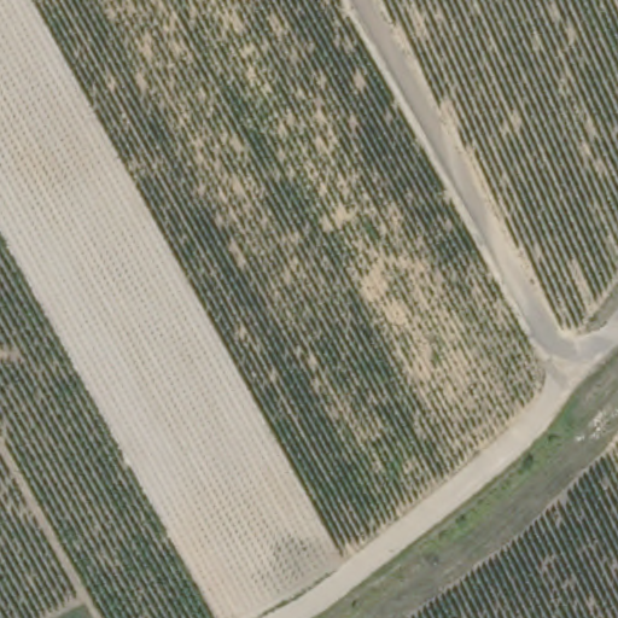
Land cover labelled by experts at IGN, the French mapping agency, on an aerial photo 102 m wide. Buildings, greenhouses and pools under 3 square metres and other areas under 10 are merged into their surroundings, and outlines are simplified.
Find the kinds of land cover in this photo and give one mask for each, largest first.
<instances>
[{"label":"vineyard","instance_id":"1","mask_svg":"<svg viewBox=\"0 0 618 618\"><path fill-rule=\"evenodd\" d=\"M546 386L543 360L534 352L529 336L519 326V319L507 297L502 295L497 280L490 275L483 253L468 234L454 203L444 198L442 179L430 164L427 152L418 145L415 133L406 121L403 111L393 104V94L386 80L381 77L374 58L369 56L362 36L357 34L355 24L343 14L340 0H0V618H39L43 611L56 608L63 601L70 608H77L84 606L89 599L94 601L101 618H251L263 608L273 606L275 601L311 584L314 577H321V572L333 575L340 570L345 558L357 553L369 538L379 534L381 524L398 521L401 517H406L418 505V500L427 497L444 483V476H454L456 468L476 461L483 449H488L509 430V418L526 403H531L534 396L541 393ZM391 22L403 29L406 41L410 43L413 56L422 68V75L430 84L435 101H451L459 121V138L476 152V162L485 176L495 205L505 203V227L514 246L524 249L526 261L538 278V285L548 299L555 321L560 326L575 328L577 333H589L606 326L613 311L618 309V0H384ZM415 618H618V471L611 459L599 461L587 476H582V480L567 495L565 505L550 507L543 519H538L517 543H512V548H507L495 560L471 572L459 587L449 589L439 601L425 606Z\"/></svg>","mask_w":618,"mask_h":618},{"label":"pervious surface","instance_id":"2","mask_svg":"<svg viewBox=\"0 0 618 618\"><path fill-rule=\"evenodd\" d=\"M343 14L355 24L357 34L362 36L369 56L374 58L381 77L386 80L393 94V104L403 111L406 121L415 133L418 145L427 152L430 164L442 179L444 198L454 203L468 234L483 253L490 275L497 280L502 295L507 297L519 319V326L529 336L534 352L543 360L546 386L541 393L534 396L531 403H526L509 418V430L488 449H483L476 461L456 468L454 476H444V483L427 497L418 500V505L406 517H401L398 521L381 524L379 534L369 538L357 553L345 558L340 570L333 575L314 591H309L304 599L285 606L282 611L268 618H311L331 604H336L340 596H345L367 575L381 567L386 560H391L396 553H401L408 543L422 536L449 512H454L473 492H478L490 478L505 471L512 461H517L531 447L534 439H538L548 430L553 418L570 398V393L577 389V384L618 348V309L613 311L606 326L589 333H577L575 328L560 326L555 321L548 299L538 285V278L526 261L524 249L514 246L505 227V203L495 205L485 176L476 162V152L459 138V121L451 101H435L430 84L422 75V68L413 56L410 43L406 41L403 29L391 22L384 0H340Z\"/></svg>","mask_w":618,"mask_h":618},{"label":"herbaceous vegetation","instance_id":"3","mask_svg":"<svg viewBox=\"0 0 618 618\"><path fill-rule=\"evenodd\" d=\"M611 459L618 471V348L577 384V389L570 393V398L553 418L548 430L538 439H534L531 447L517 461H512L505 471L490 478L478 492H473L454 512H449L422 536L408 543L401 553H396L391 560H386L381 567L367 575L345 596H340L336 604H331L311 618H415L425 606L439 601L449 589L459 587L471 572L495 560L507 548H512V543H517L538 519H543L550 507L565 505L567 495L582 480V476H587L599 461ZM333 575L321 572V577H314L311 584L275 601L273 606L263 608L251 618H268L282 611L285 606L304 599L309 591H314ZM39 618H101L94 601L89 599L84 606L77 608H70L63 601L56 608L43 611Z\"/></svg>","mask_w":618,"mask_h":618}]
</instances>
